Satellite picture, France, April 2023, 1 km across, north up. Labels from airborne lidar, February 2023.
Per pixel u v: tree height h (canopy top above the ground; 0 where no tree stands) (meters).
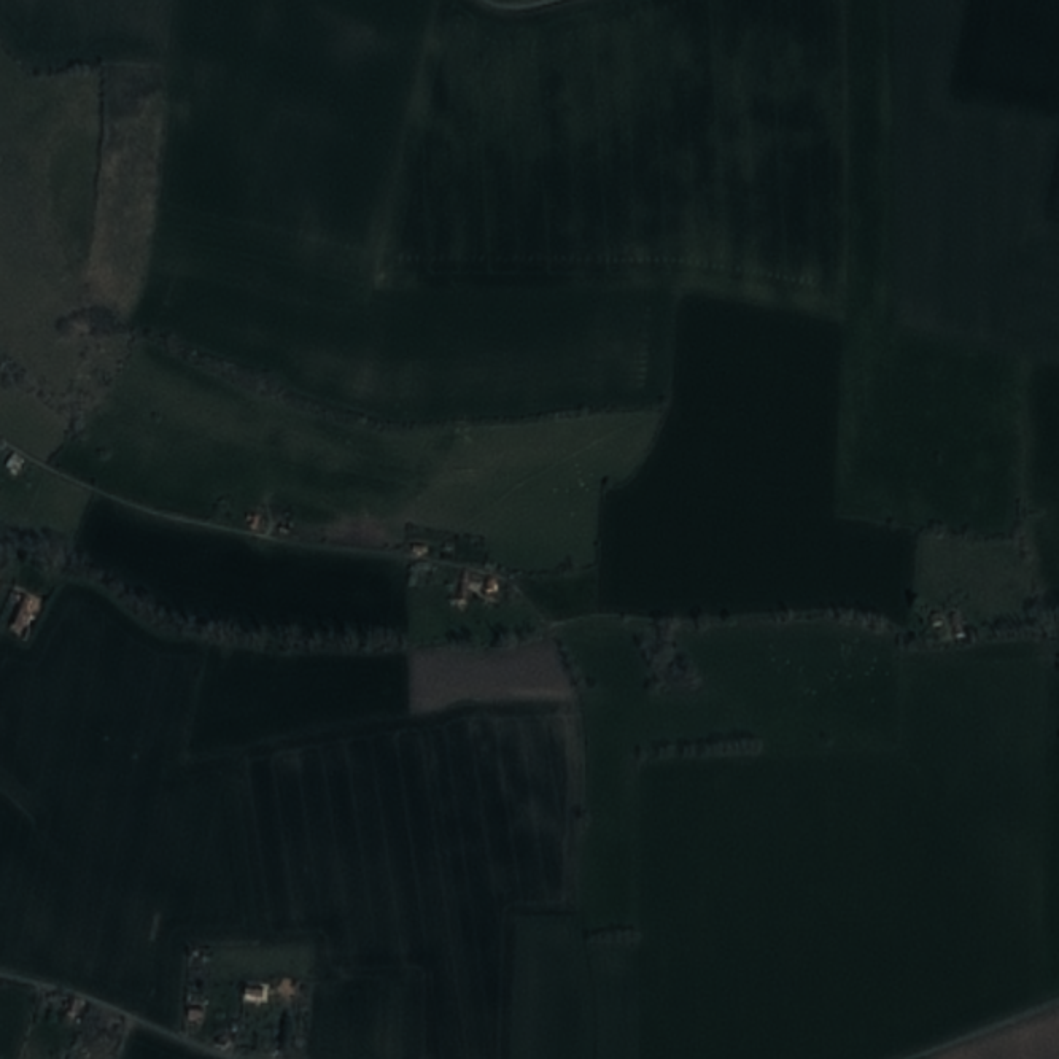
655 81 0
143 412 0
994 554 0
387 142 0
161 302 0
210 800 0
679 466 0
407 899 0
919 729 0
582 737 0
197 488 0
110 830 0
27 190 0
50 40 0
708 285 0
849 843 0
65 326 13
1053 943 0
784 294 0
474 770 0
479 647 25
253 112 0
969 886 0
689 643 0
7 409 0
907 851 0
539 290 0
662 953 0
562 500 0
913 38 0
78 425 10
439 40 0
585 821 16
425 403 0
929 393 0
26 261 0
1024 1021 0
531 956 0
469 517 0
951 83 0
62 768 0
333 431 0
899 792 0
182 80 0
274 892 0
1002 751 0
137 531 0
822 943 0
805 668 0
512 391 0
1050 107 0
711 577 0
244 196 0
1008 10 0
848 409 0
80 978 0
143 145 0
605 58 0
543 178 0
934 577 0
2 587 11
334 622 0
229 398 0
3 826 0
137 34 0
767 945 0
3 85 0
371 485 0
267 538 0
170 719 0
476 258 0
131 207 0
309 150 0
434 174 0
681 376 0
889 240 0
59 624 0
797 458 0
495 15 0
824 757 0
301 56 0
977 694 0
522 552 0
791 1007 0
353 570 0
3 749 0
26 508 0
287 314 0
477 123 0
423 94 0
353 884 0
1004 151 0
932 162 0
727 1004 0
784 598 0
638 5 0
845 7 0
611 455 0
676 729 0
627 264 0
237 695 0
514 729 0
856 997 0
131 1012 0
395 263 0
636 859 0
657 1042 0
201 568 0
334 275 0
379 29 0
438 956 0
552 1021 0
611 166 0
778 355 0
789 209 0
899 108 0
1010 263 0
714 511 0
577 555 0
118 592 17
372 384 0
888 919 0
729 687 0
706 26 0
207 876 0
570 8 0
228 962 0
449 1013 0
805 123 0
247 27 0
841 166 0
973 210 0
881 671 0
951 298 0
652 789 0
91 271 0
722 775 0
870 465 0
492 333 0
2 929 0
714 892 0
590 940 10
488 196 0
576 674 16
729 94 0
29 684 0
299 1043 6
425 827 0
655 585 0
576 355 0
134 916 0
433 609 0
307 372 0
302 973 0
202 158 0
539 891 0
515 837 0
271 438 0
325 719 0
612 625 0
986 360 0
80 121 0
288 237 0
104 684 0
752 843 0
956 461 0
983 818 0
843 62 0
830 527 0
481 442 0
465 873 0
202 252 0
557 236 0
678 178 0
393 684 0
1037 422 0
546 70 0
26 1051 0
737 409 0
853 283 0
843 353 0
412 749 0
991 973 0
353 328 0
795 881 0
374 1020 0
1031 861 0
